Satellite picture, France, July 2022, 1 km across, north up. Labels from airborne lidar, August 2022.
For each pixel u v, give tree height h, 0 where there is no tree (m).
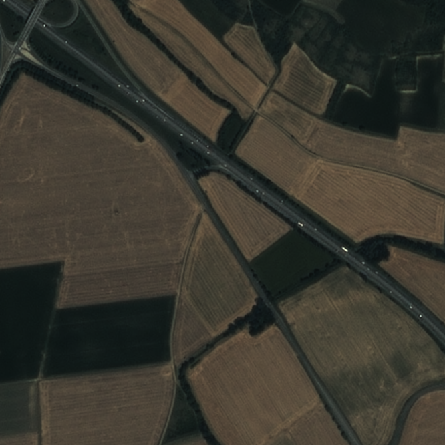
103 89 0
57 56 0
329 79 0
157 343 0
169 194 0
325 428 0
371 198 0
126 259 0
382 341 0
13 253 0
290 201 6
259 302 22
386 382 0
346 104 0
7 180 0
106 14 0
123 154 0
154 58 0
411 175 0
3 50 0
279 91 0
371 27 0
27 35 0
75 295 0
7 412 0
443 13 7
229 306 0
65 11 0
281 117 0
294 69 0
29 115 0
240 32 0
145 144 0
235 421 0
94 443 0
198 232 0
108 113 10
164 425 0
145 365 0
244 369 0
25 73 11
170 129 0
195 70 0
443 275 0
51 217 0
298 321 0
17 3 0
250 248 0
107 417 0
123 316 0
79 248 0
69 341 0
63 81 10
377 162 0
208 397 0
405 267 0
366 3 0
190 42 0
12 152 0
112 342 0
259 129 0
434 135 0
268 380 0
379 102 0
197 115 0
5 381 0
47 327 0
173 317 0
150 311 0
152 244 0
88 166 0
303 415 0
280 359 0
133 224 0
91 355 0
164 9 0
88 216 0
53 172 0
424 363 0
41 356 0
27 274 0
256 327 18
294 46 0
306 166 0
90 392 0
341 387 0
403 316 0
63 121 0
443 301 0
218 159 0
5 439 0
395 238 18
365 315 0
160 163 0
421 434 0
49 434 0
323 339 0
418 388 0
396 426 0
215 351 0
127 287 0
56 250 0
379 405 0
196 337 0
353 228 0
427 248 25
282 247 0
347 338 0
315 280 0
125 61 0
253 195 15
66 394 0
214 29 0
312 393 0
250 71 0
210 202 0
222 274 0
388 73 0
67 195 0
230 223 0
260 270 0
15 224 0
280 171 0
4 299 0
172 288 0
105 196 0
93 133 0
